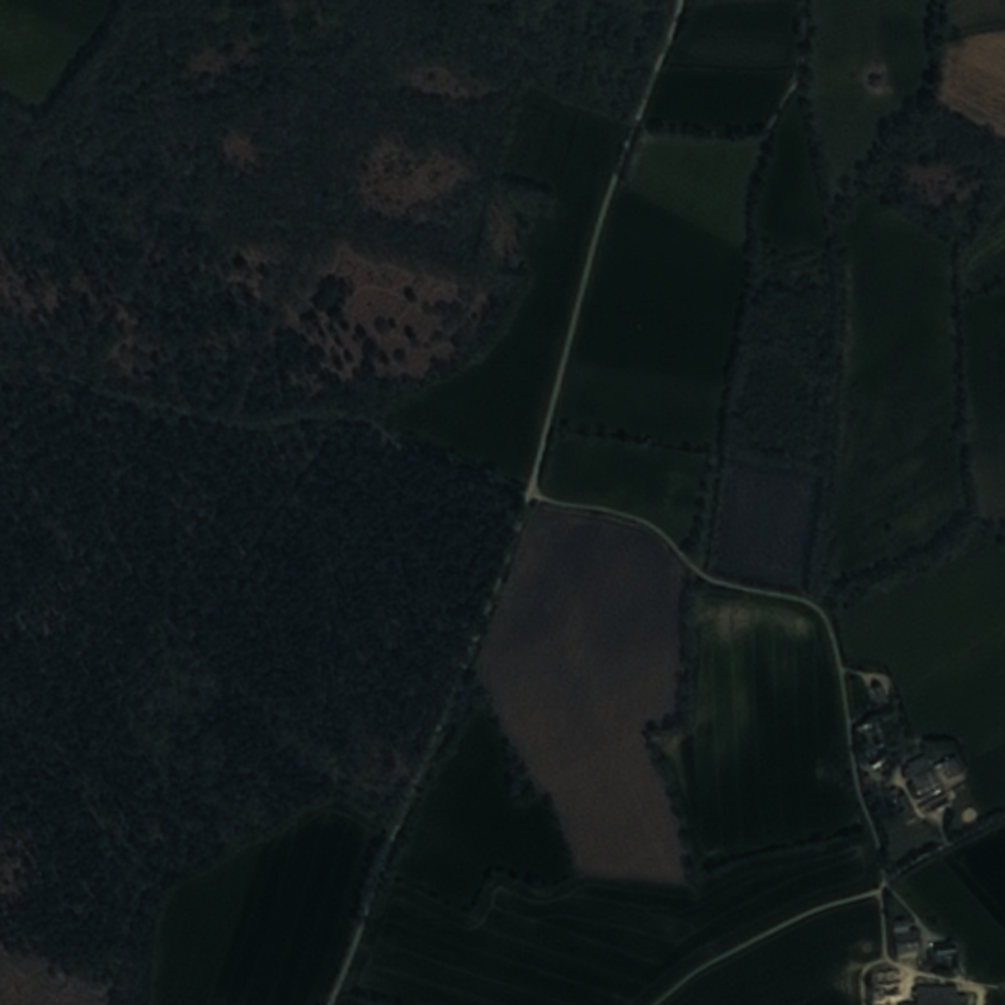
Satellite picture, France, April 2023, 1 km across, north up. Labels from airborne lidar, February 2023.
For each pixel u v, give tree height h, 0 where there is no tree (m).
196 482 20
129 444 21
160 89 13
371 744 18
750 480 0
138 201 13
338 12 11
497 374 0
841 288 6
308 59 12
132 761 17
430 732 19
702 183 0
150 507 15
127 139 14
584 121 0
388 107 14
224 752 15
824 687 0
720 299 0
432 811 0
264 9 14
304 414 14
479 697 14
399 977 0
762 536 0
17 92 0
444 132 13
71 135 11
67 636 12
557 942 0
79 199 10
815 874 0
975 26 0
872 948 0
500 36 17
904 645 0
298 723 15
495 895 0
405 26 16
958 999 0
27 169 17
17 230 11
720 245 0
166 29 11
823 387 12
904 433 0
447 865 0
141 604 19
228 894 0
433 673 22
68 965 7
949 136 15
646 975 0
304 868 0
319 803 17
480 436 0
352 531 20
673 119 0
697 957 0
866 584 16
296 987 0
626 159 21
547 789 0
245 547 21
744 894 0
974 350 0
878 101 0
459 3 13
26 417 17
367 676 12
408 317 0
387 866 15
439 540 24
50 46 0
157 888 17
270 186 12
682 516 0
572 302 0
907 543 0
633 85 15
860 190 7
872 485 0
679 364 0
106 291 8
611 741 0
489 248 19
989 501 0
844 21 0
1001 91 0
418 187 0
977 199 15
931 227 14
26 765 17
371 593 19
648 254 0
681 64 0
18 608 10
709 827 0
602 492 0
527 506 14
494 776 0
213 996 0
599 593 0
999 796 0
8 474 17
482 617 18
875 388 0
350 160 13
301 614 18
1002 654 0
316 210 14
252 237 12
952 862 0
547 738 0
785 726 0
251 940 0
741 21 0
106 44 19
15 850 16
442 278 11
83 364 14
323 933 0
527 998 0
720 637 0
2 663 7
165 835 9
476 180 7
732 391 15
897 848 0
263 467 19
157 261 20
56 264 22
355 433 20
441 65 9
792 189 0
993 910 0
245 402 12
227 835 14
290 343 9
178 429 17
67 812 19
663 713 0
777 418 12
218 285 11
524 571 0
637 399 0
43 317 18
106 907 14
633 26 11
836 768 0
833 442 14
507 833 0
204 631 21
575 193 0
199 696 17
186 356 15
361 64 16
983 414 0
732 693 0
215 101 13
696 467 0
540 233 0
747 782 0
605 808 0
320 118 14
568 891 0
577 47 18
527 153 0
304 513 10
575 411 0
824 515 17
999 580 0
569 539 0
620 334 0
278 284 13
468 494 23
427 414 0
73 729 11
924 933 0
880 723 7
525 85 13
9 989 0
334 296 6
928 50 14
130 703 11
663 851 0
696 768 0
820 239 0
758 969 0
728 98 0
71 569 14
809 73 13
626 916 0
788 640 0
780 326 11
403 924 0
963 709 0
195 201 11
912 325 0
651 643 0
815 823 0
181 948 0
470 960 0
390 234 11
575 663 0
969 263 0
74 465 13
